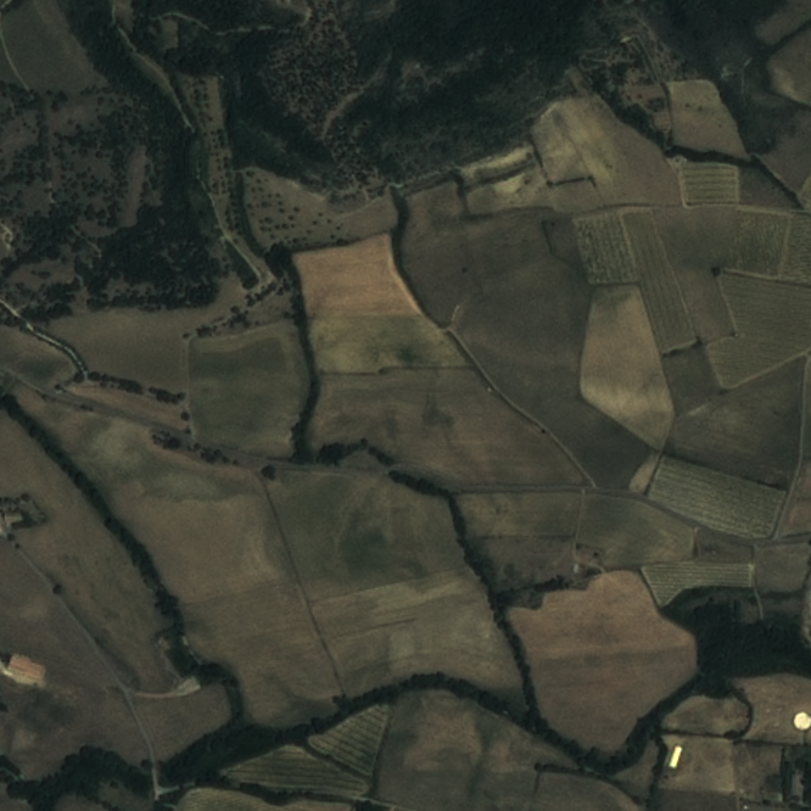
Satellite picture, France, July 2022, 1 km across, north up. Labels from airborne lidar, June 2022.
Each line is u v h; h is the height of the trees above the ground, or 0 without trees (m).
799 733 0
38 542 0
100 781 8
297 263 0
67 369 0
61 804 0
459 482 0
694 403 0
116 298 9
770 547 0
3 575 0
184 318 0
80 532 0
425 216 0
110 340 0
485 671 0
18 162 5
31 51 0
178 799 7
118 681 0
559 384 0
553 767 10
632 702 0
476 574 8
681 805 0
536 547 0
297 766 0
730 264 0
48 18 0
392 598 0
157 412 0
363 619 0
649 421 0
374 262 0
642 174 0
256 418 0
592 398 0
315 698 0
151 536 0
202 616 0
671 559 0
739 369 0
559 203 0
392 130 6
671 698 7
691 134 0
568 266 0
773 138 0
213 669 15
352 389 0
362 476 0
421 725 0
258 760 0
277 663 0
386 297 0
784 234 0
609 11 0
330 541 0
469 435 0
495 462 0
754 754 0
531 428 0
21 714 0
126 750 0
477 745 0
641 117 8
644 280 0
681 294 0
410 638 0
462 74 7
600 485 0
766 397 0
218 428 0
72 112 0
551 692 0
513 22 16
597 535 0
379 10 0
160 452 0
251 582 0
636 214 0
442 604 0
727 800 0
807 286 0
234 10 11
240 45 10
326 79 7
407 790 0
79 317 0
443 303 0
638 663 0
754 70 0
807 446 0
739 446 0
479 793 0
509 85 12
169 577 0
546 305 0
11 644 0
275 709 0
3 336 0
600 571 0
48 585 0
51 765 0
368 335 0
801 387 0
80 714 0
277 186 0
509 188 0
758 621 6
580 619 0
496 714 7
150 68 0
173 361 0
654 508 0
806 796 11
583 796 0
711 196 0
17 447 0
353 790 0
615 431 0
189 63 13
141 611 0
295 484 0
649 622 0
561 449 0
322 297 0
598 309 0
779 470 0
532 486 0
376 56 10
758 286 0
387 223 0
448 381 0
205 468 0
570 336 0
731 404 0
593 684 0
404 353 0
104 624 0
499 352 0
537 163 0
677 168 0
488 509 0
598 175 0
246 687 0
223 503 0
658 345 0
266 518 0
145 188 6
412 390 0
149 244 7
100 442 0
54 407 0
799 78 0
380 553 0
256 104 10
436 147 8
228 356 0
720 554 0
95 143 8
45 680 0
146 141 6
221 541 0
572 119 0
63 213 7
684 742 0
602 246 0
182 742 0
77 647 0
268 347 0
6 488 0
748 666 8
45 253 6
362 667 0
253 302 7
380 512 0
